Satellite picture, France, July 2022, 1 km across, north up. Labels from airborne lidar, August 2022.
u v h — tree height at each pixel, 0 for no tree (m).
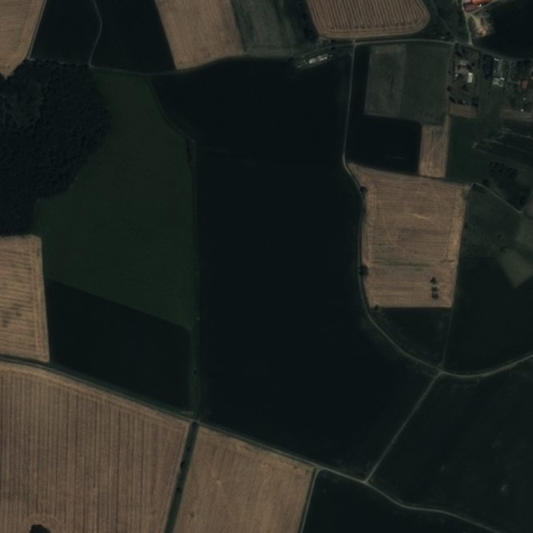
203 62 0
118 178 0
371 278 0
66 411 0
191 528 0
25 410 0
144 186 0
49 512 0
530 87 0
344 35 0
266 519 0
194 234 0
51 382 0
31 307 0
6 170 21
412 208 0
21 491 0
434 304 0
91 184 0
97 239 0
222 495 0
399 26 0
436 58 0
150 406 0
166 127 0
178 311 0
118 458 0
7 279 0
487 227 0
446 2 0
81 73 16
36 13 0
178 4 0
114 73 0
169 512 0
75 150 20
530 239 0
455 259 0
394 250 0
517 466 0
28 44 0
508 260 0
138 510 0
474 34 0
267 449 0
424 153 0
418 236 0
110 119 14
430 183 0
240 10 0
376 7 0
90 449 0
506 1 0
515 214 0
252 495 0
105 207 0
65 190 13
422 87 0
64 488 0
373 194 0
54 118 19
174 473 0
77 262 0
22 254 0
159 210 0
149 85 0
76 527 0
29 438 0
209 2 0
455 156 0
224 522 0
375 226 0
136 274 0
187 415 0
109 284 0
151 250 0
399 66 0
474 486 0
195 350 0
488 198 0
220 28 0
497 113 0
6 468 0
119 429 0
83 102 20
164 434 0
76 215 0
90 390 0
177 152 0
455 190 0
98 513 0
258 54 0
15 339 0
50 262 0
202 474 0
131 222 0
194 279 0
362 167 0
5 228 16
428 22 0
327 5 0
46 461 0
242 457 0
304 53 0
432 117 0
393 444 0
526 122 0
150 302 0
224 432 0
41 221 0
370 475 0
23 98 16
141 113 0
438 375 0
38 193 10
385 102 0
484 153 0
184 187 0
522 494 0
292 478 0
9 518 0
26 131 15
